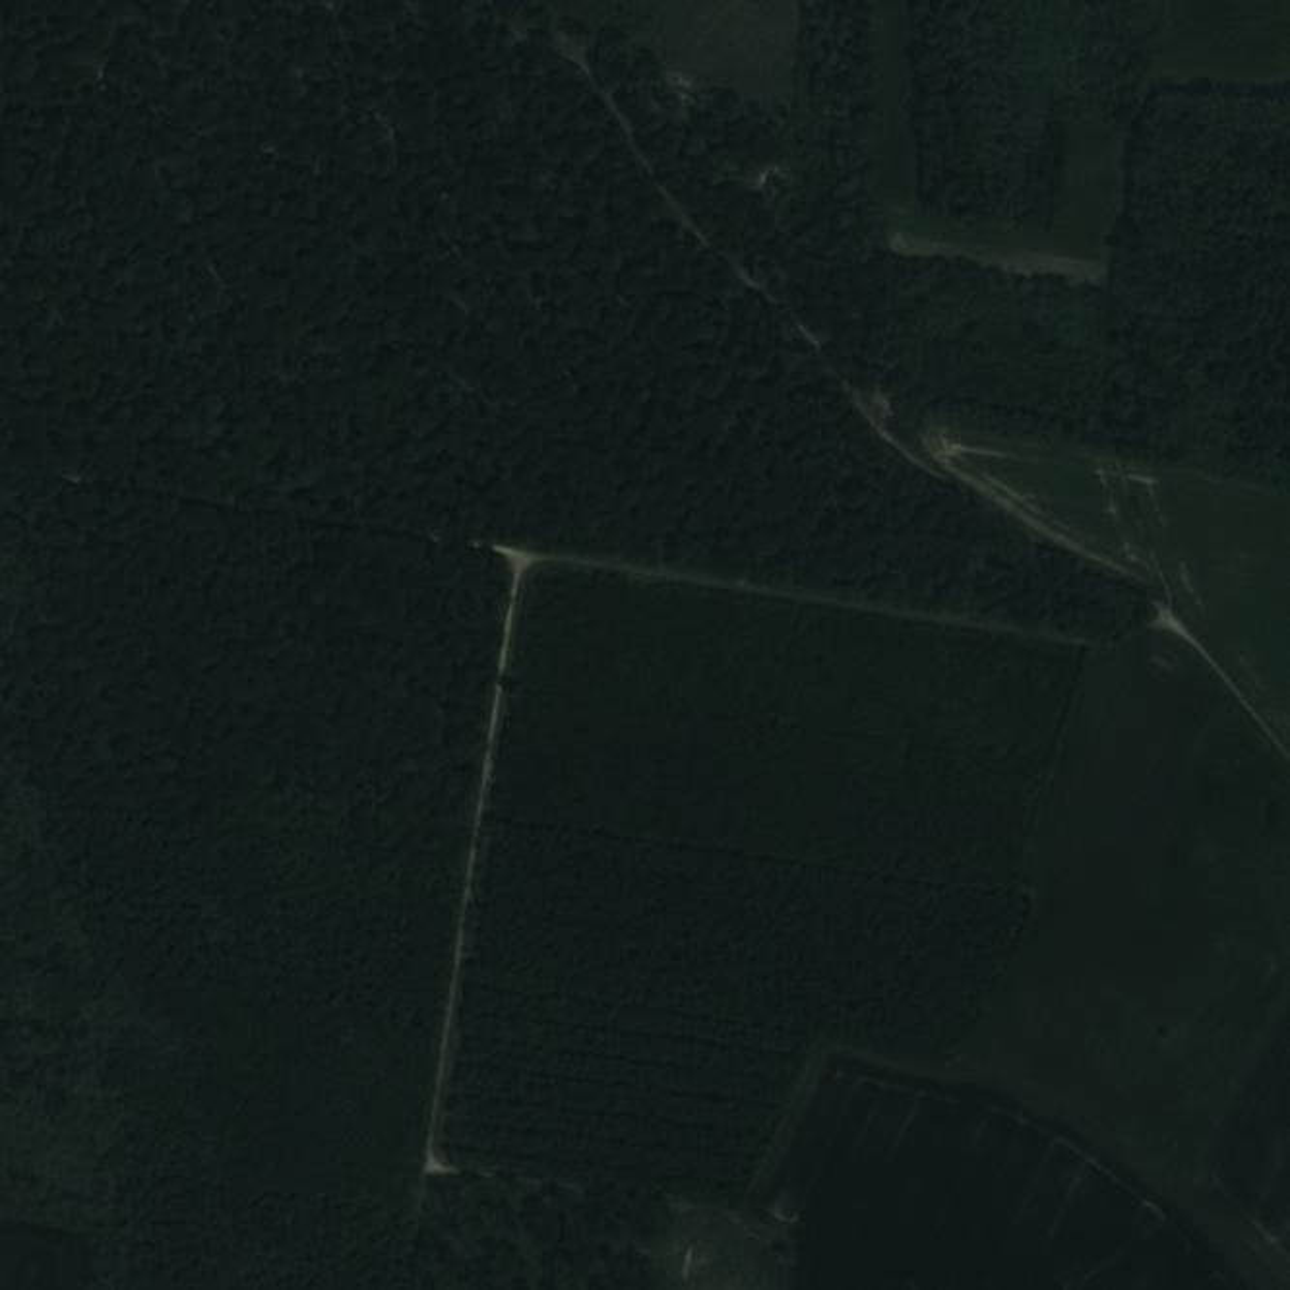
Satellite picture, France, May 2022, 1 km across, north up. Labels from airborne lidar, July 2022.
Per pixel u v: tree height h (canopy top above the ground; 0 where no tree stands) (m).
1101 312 17
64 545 25
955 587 23
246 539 29
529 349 29
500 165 30
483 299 27
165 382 26
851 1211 0
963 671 6
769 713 7
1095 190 0
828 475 26
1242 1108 0
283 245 28
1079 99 25
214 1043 20
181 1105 19
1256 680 0
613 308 30
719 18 0
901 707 6
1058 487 0
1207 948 0
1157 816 0
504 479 27
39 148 30
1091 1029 0
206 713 27
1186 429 23
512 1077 14
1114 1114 0
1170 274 22
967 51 20
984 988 16
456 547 23
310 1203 18
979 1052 0
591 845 20
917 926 20
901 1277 0
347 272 28
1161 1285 0
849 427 24
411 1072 17
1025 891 11
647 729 9
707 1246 0
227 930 20
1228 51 0
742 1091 15
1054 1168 0
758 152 30
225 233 29
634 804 13
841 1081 0
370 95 27
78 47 30
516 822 12
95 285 28
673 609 7
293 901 17
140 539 32
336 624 29
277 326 30
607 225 23
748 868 20
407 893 18
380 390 29
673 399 29
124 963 21
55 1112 26
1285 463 22
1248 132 25
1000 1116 0
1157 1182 0
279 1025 17
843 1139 0
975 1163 0
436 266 28
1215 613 0
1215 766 0
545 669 7
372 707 29
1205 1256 0
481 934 17
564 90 27
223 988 20
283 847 18
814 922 20
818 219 6
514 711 11
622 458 28
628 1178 15
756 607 7
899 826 17
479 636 27
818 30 15
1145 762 0
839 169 20
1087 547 0
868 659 6
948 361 12
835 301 31
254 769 26
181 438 28
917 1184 0
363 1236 20
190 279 29
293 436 26
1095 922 0
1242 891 0
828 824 12
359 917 17
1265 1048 0
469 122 21
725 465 28
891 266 22
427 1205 7
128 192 31
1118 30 27
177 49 25
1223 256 23
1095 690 0
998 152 19
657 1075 16
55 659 32
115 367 28
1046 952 0
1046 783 7
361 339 28
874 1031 17
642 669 7
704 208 27
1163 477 0
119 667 33
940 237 0
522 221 28
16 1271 0
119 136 28
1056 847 0
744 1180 15
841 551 25
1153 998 0
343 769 30
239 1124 18
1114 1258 0
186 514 31
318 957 18
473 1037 13
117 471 24
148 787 20
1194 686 0
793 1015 15
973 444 0
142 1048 23
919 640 7
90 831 21
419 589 27
